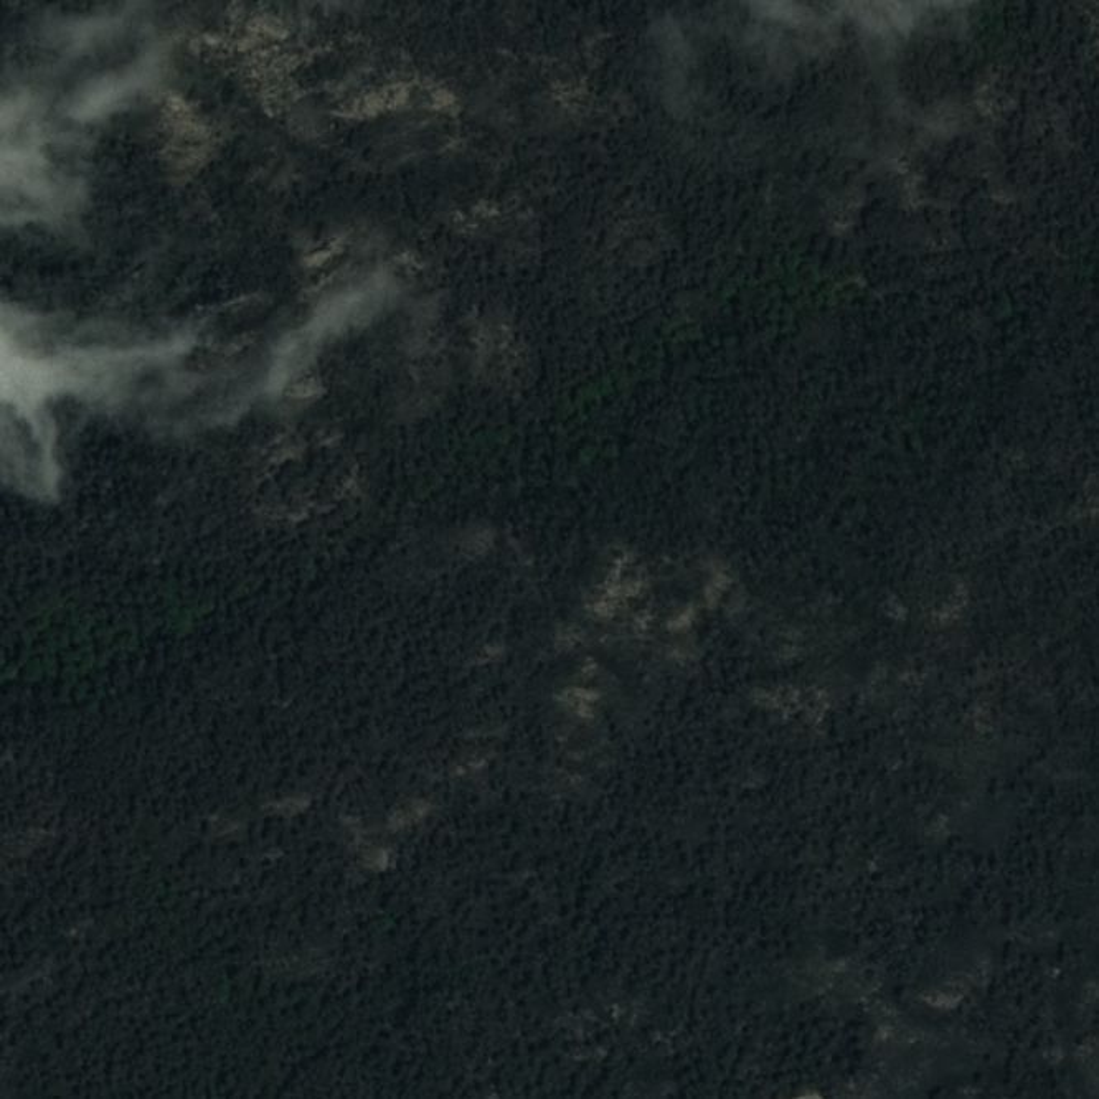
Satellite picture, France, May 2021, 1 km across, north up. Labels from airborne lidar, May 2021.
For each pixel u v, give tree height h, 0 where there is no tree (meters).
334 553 19
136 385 6
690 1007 10
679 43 18
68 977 21
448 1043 24
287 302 6
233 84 17
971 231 20
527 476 25
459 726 26
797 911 14
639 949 20
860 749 26
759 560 21
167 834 17
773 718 19
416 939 16
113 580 25
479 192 12
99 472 22
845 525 28
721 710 20
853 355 9
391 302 22
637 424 21
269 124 6
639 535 11
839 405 24
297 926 16
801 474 29
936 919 32
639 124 18
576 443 6
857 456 28
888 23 21
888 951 18
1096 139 23
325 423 16
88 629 27
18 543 20
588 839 24
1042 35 23
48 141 25
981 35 21
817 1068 7
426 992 8
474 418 20
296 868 27
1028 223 12
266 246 15
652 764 26
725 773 19
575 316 25
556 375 27
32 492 7
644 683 23
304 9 12
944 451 31
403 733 21
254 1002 20
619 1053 29
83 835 18
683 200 17
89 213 7
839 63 16
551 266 21
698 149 22
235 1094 22
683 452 23
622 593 0
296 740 23
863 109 18
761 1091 24
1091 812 17
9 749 20
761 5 13
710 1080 25
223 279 20
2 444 12
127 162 15
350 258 13
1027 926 19
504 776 20
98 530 20
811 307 22
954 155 18
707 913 24
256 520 16
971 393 8
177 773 19
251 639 13
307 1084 23
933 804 14
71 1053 22
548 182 13
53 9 26
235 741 26
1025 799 12
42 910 24
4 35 18
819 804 21
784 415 24
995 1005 23
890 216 25
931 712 16
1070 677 22
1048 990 23
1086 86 24
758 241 7
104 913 22
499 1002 23
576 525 18
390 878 22
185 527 21
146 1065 25
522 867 22
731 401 19
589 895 24
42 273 7
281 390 7
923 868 14
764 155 25
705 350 24
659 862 18
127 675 20
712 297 18
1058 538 20
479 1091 20
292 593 14
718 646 22
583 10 19
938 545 21
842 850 24
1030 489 27
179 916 27
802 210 6
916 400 19
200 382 5
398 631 23
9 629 34
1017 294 24
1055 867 20
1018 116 19
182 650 26
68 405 15
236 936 28
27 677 15
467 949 21
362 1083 23
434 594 15
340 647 20
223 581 22
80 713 25
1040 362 25
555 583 18
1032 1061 18
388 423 16
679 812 18
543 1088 24
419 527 7
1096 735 10
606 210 18
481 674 21
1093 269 14
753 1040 16
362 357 13
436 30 20
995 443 24
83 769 20
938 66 23
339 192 26
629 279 16
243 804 20
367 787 27
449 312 7
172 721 20
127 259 19
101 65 16
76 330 6
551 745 16
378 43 11
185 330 8
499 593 20
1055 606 22
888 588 14
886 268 24
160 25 8
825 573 21
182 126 0
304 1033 29
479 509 5
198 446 16
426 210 25
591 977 23
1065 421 20
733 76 22
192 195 13
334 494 10
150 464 6
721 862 20
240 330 7
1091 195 18
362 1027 26
